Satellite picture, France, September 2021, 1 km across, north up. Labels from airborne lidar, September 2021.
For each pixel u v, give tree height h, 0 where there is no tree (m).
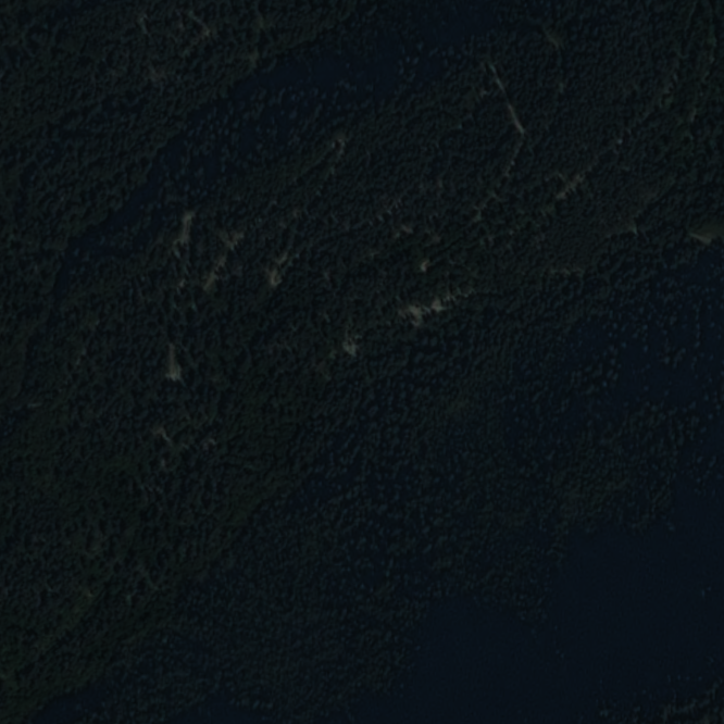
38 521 18
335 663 9
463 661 7
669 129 29
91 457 17
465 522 8
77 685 10
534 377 16
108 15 18
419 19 13
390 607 8
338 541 7
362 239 20
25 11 10
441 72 24
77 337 17
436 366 24
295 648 8
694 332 34
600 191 13
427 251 9
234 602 8
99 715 8
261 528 9
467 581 7
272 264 18
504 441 8
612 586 6
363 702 7
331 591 7
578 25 23
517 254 25
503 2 11
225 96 9
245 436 31
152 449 6
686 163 10
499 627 10
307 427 13
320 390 20
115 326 10
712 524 10
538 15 9
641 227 28
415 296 25
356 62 15
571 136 22
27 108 14
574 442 17
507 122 17
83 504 9
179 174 23
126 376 27
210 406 29
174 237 19
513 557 8
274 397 14
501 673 13
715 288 13
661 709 11
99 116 9
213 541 26
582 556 7
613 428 11
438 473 8
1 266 9
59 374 17
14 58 8
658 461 9
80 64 7
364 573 10
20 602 24
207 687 7
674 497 7
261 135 7
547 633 8
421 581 18
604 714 8
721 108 7
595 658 11
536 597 7
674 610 12
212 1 35
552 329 20
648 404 16
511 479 8
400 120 20
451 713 9
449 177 25
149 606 15
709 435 12
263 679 8
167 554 10
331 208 16
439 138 15
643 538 7
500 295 11
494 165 25
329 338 16
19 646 16
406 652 8
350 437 26
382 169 17
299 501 10
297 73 7
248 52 10
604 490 7
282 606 11
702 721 13
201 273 23
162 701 9
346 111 26
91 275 6
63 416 14
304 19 21
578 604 9
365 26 11
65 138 6
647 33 25
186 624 7
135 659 7
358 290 25
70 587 32
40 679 25
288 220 21
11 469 18
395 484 6
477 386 8
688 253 24
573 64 20
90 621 14
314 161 13
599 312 27
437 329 19
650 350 8
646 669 15
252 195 16
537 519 13
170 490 33
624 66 19
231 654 15
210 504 25
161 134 26
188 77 20
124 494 15
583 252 29
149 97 27
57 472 6
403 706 6
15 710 11
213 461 30
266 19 30
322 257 19
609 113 22
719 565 14
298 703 7
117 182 22
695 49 8
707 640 9
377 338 21
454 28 14
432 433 12
